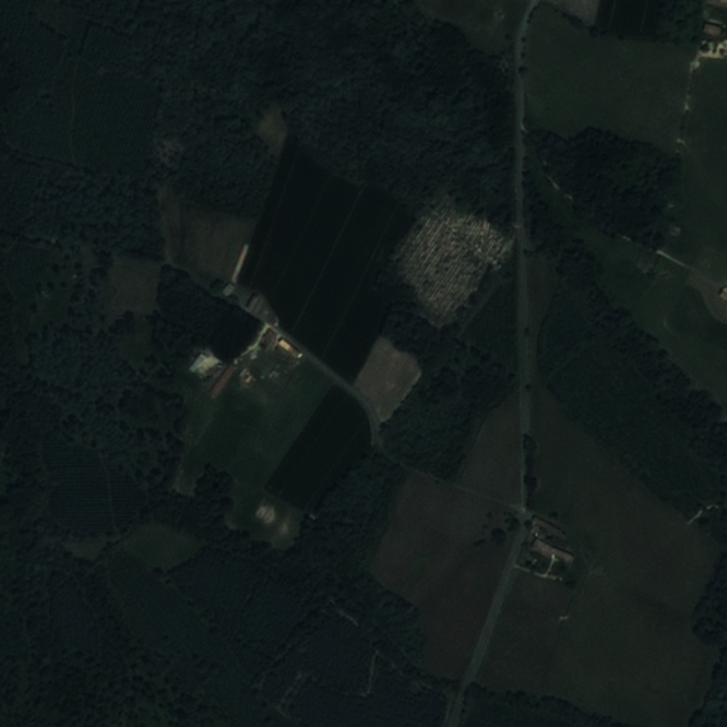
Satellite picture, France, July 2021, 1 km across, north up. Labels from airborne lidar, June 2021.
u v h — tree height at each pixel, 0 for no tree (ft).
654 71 0
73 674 31
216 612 31
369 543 41
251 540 53
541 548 0
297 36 67
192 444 0
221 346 59
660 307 0
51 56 55
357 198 0
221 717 41
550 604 0
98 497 18
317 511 40
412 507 0
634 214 73
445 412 29
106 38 62
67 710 42
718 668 43
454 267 0
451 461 35
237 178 63
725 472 45
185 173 49
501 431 0
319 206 0
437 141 28
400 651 43
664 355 66
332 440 0
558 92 0
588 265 47
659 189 38
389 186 37
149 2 31
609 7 0
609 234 40
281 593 40
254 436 0
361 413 0
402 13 40
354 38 68
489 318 18
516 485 0
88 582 23
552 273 0
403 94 59
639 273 0
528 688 0
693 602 0
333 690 38
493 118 59
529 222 22
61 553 46
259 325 50
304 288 0
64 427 89
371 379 0
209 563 42
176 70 60
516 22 0
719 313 0
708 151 0
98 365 85
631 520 0
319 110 48
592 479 0
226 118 61
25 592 49
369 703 39
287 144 0
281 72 37
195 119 49
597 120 0
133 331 67
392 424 26
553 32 0
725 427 43
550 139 47
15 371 66
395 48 64
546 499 0
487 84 45
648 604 0
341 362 0
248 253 0
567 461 0
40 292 37
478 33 0
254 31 68
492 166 73
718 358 0
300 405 0
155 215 50
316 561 72
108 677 29
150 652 26
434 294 0
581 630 0
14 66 62
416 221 31
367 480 41
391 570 0
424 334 71
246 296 0
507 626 0
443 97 73
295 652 43
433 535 0
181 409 67
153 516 79
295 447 0
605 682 0
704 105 0
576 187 57
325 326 0
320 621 41
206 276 0
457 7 0
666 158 20
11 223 34
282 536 0
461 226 0
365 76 42
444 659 0
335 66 55
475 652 0
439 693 35
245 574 40
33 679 25
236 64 38
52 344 79
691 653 0
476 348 42
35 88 51
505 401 28
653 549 0
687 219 0
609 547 0
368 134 43
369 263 0
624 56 0
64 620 39
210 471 58
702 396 47
